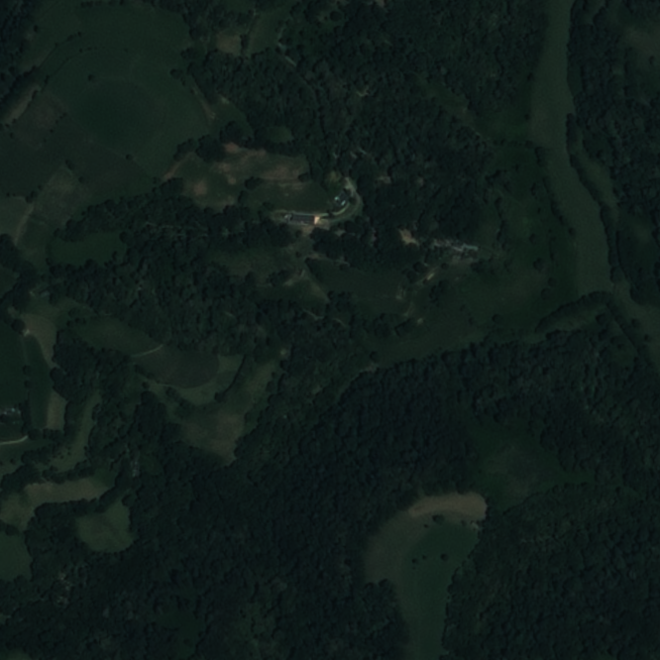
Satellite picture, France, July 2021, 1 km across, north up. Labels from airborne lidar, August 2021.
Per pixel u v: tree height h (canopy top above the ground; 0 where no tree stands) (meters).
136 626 26
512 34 28
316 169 17
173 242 8
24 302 22
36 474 22
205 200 0
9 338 0
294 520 24
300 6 14
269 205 15
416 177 27
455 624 15
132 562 22
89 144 0
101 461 22
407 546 0
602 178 0
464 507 0
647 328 0
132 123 0
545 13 23
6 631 31
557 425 23
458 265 0
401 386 24
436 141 27
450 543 0
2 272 0
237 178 0
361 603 24
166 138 0
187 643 8
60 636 16
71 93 0
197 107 0
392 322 11
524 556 22
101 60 0
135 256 25
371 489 26
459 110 0
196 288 26
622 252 17
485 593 22
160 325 20
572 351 28
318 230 15
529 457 0
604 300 16
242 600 24
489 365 27
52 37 0
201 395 0
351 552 23
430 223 29
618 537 33
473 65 21
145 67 0
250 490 28
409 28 26
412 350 0
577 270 0
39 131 0
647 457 25
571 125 18
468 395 15
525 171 9
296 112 27
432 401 21
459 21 27
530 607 19
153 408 25
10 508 0
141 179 0
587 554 31
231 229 21
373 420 26
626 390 24
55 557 22
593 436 20
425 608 0
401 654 19
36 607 20
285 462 24
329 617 25
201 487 31
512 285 0
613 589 29
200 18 21
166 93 0
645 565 18
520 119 0
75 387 22
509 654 30
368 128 21
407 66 29
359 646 36
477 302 0
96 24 0
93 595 23
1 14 14
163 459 14
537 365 23
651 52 0
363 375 17
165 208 17
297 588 30
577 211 0
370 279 0
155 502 25
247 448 20
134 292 9
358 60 31
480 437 0
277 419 28
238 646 21
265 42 0
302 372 29
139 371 17
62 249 0
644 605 24
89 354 10
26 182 0
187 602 15
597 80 24
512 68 21
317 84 23
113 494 22
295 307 27
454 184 26
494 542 21
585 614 25
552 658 18
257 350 19
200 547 26
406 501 26
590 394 23
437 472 23
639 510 18
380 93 22
